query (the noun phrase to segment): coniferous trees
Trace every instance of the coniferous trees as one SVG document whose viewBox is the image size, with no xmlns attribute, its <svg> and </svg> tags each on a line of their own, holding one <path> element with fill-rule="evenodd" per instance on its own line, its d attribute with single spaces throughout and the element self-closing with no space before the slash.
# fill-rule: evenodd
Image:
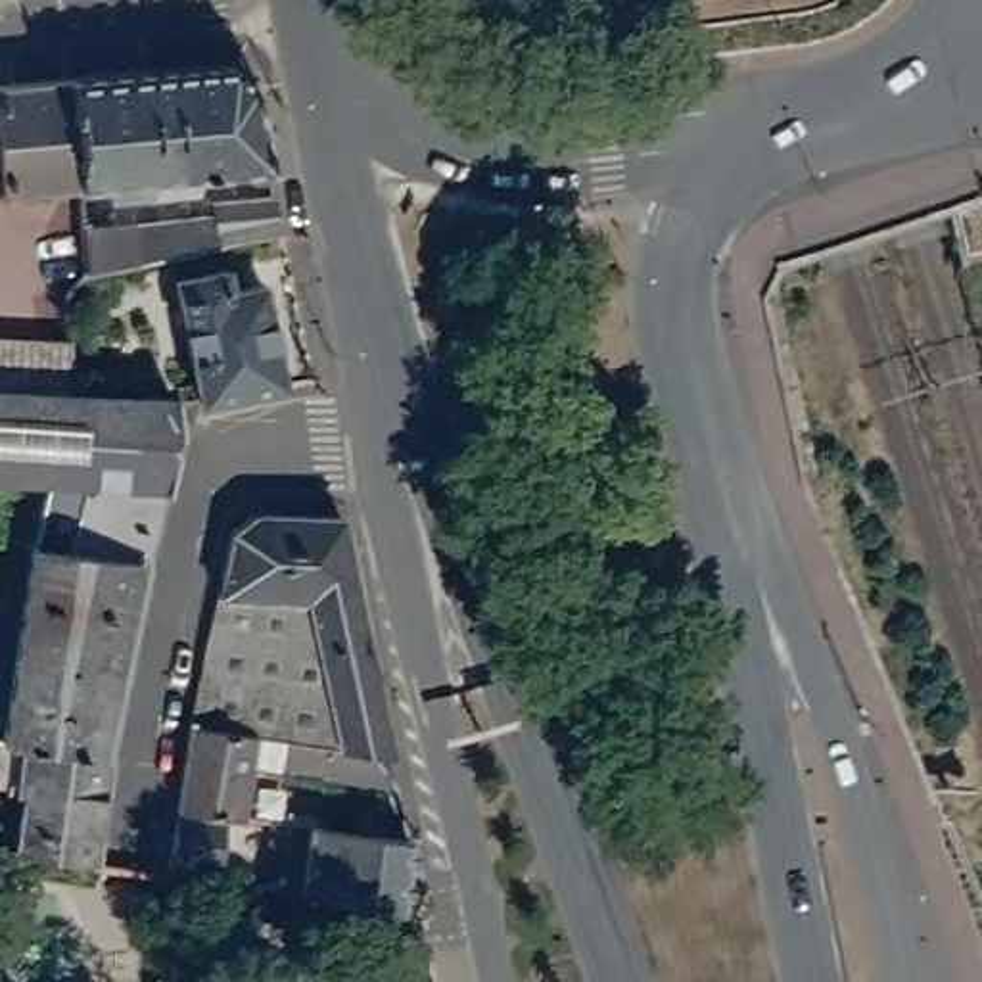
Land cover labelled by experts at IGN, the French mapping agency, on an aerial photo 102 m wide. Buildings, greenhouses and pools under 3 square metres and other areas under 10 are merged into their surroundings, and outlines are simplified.
<svg viewBox="0 0 982 982">
<path fill-rule="evenodd" d="M 272 947 L 261 944 L 257 951 L 246 951 L 238 963 L 219 963 L 207 982 L 265 982 Z"/>
</svg>

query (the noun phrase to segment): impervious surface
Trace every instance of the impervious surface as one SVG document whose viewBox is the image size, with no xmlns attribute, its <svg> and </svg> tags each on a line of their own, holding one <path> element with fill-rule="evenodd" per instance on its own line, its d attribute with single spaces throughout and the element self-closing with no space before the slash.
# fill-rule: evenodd
<svg viewBox="0 0 982 982">
<path fill-rule="evenodd" d="M 173 871 L 165 859 L 173 821 L 180 817 L 188 737 L 192 725 L 203 725 L 207 717 L 203 710 L 196 710 L 196 698 L 203 687 L 203 660 L 215 610 L 222 598 L 226 549 L 238 526 L 246 526 L 249 518 L 330 518 L 338 510 L 349 529 L 372 644 L 387 675 L 384 698 L 391 706 L 399 752 L 410 760 L 410 779 L 418 794 L 403 809 L 391 809 L 387 794 L 380 790 L 341 786 L 338 794 L 295 790 L 288 798 L 284 790 L 272 790 L 269 779 L 257 813 L 242 825 L 230 825 L 226 832 L 234 855 L 253 859 L 249 894 L 261 898 L 265 913 L 292 898 L 292 855 L 299 844 L 311 844 L 311 832 L 341 832 L 387 844 L 410 844 L 426 836 L 430 863 L 437 871 L 426 882 L 414 882 L 414 905 L 407 921 L 422 924 L 433 982 L 510 982 L 510 959 L 499 917 L 506 890 L 495 882 L 495 863 L 503 848 L 491 836 L 491 817 L 476 806 L 476 794 L 491 794 L 503 783 L 503 775 L 518 783 L 537 840 L 541 848 L 591 982 L 652 982 L 641 963 L 641 947 L 648 947 L 648 936 L 641 921 L 629 913 L 621 878 L 610 867 L 595 852 L 591 817 L 587 809 L 579 809 L 579 798 L 572 790 L 583 775 L 575 763 L 575 737 L 556 717 L 545 721 L 545 733 L 522 729 L 518 706 L 491 679 L 487 644 L 476 629 L 483 595 L 472 587 L 456 556 L 433 556 L 430 526 L 437 510 L 449 506 L 445 472 L 476 433 L 487 430 L 476 403 L 468 403 L 460 391 L 456 376 L 464 364 L 453 357 L 453 341 L 445 341 L 441 334 L 433 334 L 433 326 L 422 318 L 414 292 L 422 272 L 418 242 L 426 238 L 433 246 L 445 234 L 460 234 L 468 219 L 522 215 L 526 207 L 533 207 L 533 215 L 545 222 L 552 211 L 579 211 L 579 226 L 595 230 L 602 222 L 625 222 L 637 226 L 637 234 L 644 234 L 633 284 L 637 353 L 629 357 L 629 364 L 641 368 L 641 384 L 648 387 L 644 407 L 671 414 L 671 460 L 675 468 L 683 468 L 687 526 L 679 537 L 690 549 L 683 587 L 702 587 L 706 595 L 740 610 L 744 641 L 752 641 L 752 652 L 733 675 L 729 690 L 744 706 L 744 717 L 733 733 L 740 740 L 737 756 L 752 775 L 760 775 L 771 786 L 771 802 L 756 817 L 756 832 L 783 982 L 982 982 L 982 959 L 974 951 L 963 898 L 951 882 L 947 859 L 936 840 L 936 809 L 924 802 L 921 775 L 928 767 L 924 760 L 909 756 L 886 687 L 871 664 L 855 614 L 836 579 L 825 529 L 817 526 L 806 503 L 806 491 L 813 491 L 817 460 L 813 437 L 802 403 L 802 380 L 786 345 L 783 295 L 794 288 L 790 276 L 809 265 L 829 265 L 832 280 L 840 269 L 875 257 L 890 242 L 901 249 L 940 238 L 944 222 L 970 219 L 970 211 L 982 203 L 982 0 L 875 0 L 840 35 L 737 46 L 721 54 L 725 69 L 737 73 L 733 92 L 721 104 L 713 104 L 702 119 L 690 119 L 664 153 L 625 161 L 541 165 L 526 157 L 518 146 L 510 146 L 503 153 L 476 157 L 472 150 L 460 150 L 441 130 L 433 130 L 403 92 L 384 84 L 376 73 L 361 69 L 345 54 L 345 19 L 326 0 L 0 0 L 0 115 L 8 84 L 42 84 L 61 77 L 84 77 L 92 84 L 119 84 L 123 77 L 138 77 L 142 84 L 188 77 L 242 77 L 249 84 L 257 81 L 265 96 L 265 134 L 280 157 L 280 169 L 269 176 L 265 188 L 238 188 L 238 199 L 288 199 L 288 222 L 272 242 L 253 242 L 249 249 L 188 253 L 161 265 L 161 276 L 146 276 L 142 288 L 123 292 L 123 299 L 111 307 L 111 315 L 123 322 L 123 349 L 73 357 L 69 372 L 84 387 L 77 399 L 180 403 L 180 410 L 169 418 L 169 430 L 184 433 L 176 453 L 176 495 L 165 499 L 157 587 L 150 598 L 142 667 L 119 752 L 119 790 L 107 790 L 107 813 L 127 817 L 127 825 L 119 848 L 107 852 L 107 867 L 96 871 L 92 890 L 42 882 L 35 913 L 46 917 L 46 947 L 31 947 L 31 963 L 0 970 L 0 982 L 207 982 L 219 963 L 238 963 L 246 951 L 257 951 L 261 944 L 272 947 L 284 944 L 280 928 L 269 924 L 261 924 L 261 932 L 234 928 L 222 944 L 203 944 L 192 955 L 173 959 L 165 947 L 157 947 L 146 959 L 138 959 L 123 924 L 138 917 L 142 905 L 153 898 L 157 878 Z M 192 403 L 196 372 L 192 364 L 180 368 L 173 361 L 173 330 L 161 292 L 176 280 L 211 272 L 234 272 L 238 288 L 253 288 L 261 280 L 272 295 L 292 384 L 280 387 L 272 399 L 242 403 L 230 410 L 207 410 L 203 403 Z"/>
<path fill-rule="evenodd" d="M 88 272 L 92 249 L 84 226 L 107 226 L 111 203 L 69 199 L 65 211 L 58 196 L 0 196 L 0 341 L 61 341 L 69 315 L 92 299 L 92 288 L 84 284 Z"/>
</svg>

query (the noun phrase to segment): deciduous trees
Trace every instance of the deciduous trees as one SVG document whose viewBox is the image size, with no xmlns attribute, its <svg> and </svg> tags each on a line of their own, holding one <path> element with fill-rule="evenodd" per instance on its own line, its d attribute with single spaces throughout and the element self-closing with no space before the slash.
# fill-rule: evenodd
<svg viewBox="0 0 982 982">
<path fill-rule="evenodd" d="M 690 119 L 702 119 L 713 104 L 721 104 L 733 92 L 737 73 L 725 69 L 721 54 L 713 50 L 710 27 L 698 23 L 702 0 L 326 0 L 345 19 L 345 54 L 361 69 L 376 73 L 384 84 L 403 92 L 433 130 L 441 130 L 460 150 L 472 150 L 476 157 L 503 153 L 510 146 L 518 146 L 526 157 L 541 165 L 625 161 L 664 153 Z"/>
<path fill-rule="evenodd" d="M 307 928 L 284 944 L 272 947 L 265 982 L 433 982 L 422 924 L 407 921 L 399 913 L 391 913 L 387 921 L 349 917 L 345 924 Z"/>
<path fill-rule="evenodd" d="M 886 518 L 909 503 L 901 479 L 886 472 L 882 479 L 867 479 L 867 460 L 859 460 L 844 441 L 836 441 L 832 433 L 813 437 L 817 460 L 832 464 L 844 476 L 844 518 L 863 556 L 867 606 L 886 618 L 882 660 L 905 698 L 909 725 L 928 729 L 936 740 L 955 740 L 963 725 L 978 729 L 978 710 L 959 667 L 951 667 L 947 652 L 928 637 L 924 598 L 936 591 L 936 583 L 921 572 L 921 564 L 905 560 L 905 552 L 894 545 L 886 529 Z"/>
<path fill-rule="evenodd" d="M 0 970 L 31 963 L 31 947 L 46 947 L 46 917 L 35 913 L 42 882 L 92 890 L 96 871 L 58 863 L 42 867 L 27 855 L 15 855 L 12 848 L 0 848 Z"/>
<path fill-rule="evenodd" d="M 111 307 L 123 299 L 123 292 L 142 288 L 146 276 L 161 276 L 161 265 L 146 261 L 115 272 L 88 272 L 84 284 L 92 288 L 92 299 L 69 315 L 61 341 L 73 345 L 73 357 L 123 349 L 123 322 L 111 315 Z"/>
<path fill-rule="evenodd" d="M 740 740 L 733 733 L 744 717 L 744 706 L 729 690 L 733 675 L 752 652 L 752 641 L 744 641 L 740 610 L 706 595 L 702 587 L 683 587 L 690 549 L 679 537 L 687 526 L 683 468 L 675 468 L 671 460 L 671 414 L 644 407 L 614 410 L 614 403 L 595 384 L 595 372 L 602 372 L 606 364 L 595 357 L 595 322 L 606 307 L 606 292 L 625 284 L 625 272 L 614 261 L 606 238 L 595 230 L 579 226 L 579 211 L 552 211 L 545 222 L 533 234 L 510 230 L 487 249 L 456 253 L 453 269 L 445 272 L 445 295 L 449 311 L 460 318 L 460 330 L 441 334 L 445 341 L 453 341 L 453 357 L 464 364 L 456 376 L 460 391 L 468 403 L 476 403 L 487 430 L 476 433 L 445 472 L 449 506 L 437 510 L 430 526 L 433 556 L 456 556 L 472 587 L 483 595 L 476 629 L 487 644 L 491 679 L 518 706 L 522 729 L 545 733 L 545 721 L 556 717 L 575 737 L 575 763 L 583 775 L 572 790 L 579 798 L 579 809 L 587 809 L 591 817 L 595 852 L 610 867 L 621 859 L 637 867 L 644 878 L 667 878 L 683 855 L 713 852 L 725 840 L 737 840 L 744 829 L 756 832 L 756 817 L 771 802 L 771 786 L 760 775 L 752 775 L 737 756 Z"/>
<path fill-rule="evenodd" d="M 526 840 L 518 829 L 514 844 L 503 848 L 495 863 L 495 882 L 506 890 L 514 878 L 526 875 L 529 855 L 541 848 L 537 840 Z"/>
<path fill-rule="evenodd" d="M 199 878 L 196 886 L 184 886 L 173 898 L 153 898 L 142 905 L 138 917 L 123 924 L 138 959 L 146 959 L 157 947 L 165 947 L 173 959 L 192 955 L 203 944 L 222 944 L 234 928 L 261 932 L 261 924 L 269 924 L 265 913 L 261 898 L 249 894 L 253 859 L 234 855 L 215 863 L 215 875 Z"/>
</svg>

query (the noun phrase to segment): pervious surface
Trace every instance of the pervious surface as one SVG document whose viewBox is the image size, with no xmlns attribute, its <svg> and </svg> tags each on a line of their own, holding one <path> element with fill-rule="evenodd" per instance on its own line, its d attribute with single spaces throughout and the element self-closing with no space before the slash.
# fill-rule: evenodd
<svg viewBox="0 0 982 982">
<path fill-rule="evenodd" d="M 882 437 L 886 449 L 898 456 L 901 479 L 909 503 L 913 529 L 924 556 L 936 568 L 936 583 L 936 591 L 944 633 L 955 641 L 959 667 L 978 710 L 978 729 L 974 740 L 982 756 L 982 357 L 974 361 L 974 349 L 963 345 L 967 322 L 951 269 L 944 261 L 940 238 L 901 249 L 890 242 L 875 257 L 840 269 L 832 280 L 832 284 L 852 341 L 859 349 L 863 384 L 882 418 Z"/>
</svg>

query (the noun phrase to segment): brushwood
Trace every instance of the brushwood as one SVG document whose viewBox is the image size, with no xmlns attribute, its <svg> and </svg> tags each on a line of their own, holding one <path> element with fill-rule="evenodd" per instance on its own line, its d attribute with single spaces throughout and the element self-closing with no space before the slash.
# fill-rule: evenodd
<svg viewBox="0 0 982 982">
<path fill-rule="evenodd" d="M 269 779 L 272 790 L 284 790 L 288 798 L 295 790 L 338 794 L 341 786 L 288 771 Z"/>
<path fill-rule="evenodd" d="M 967 322 L 963 345 L 974 349 L 974 361 L 982 357 L 982 261 L 963 261 L 959 269 L 951 269 Z"/>
<path fill-rule="evenodd" d="M 790 276 L 794 288 L 813 299 L 832 284 L 832 280 L 829 265 L 809 265 Z"/>
</svg>

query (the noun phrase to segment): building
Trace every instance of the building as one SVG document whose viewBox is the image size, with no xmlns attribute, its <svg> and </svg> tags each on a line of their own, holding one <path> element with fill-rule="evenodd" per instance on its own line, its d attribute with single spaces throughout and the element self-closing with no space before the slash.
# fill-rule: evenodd
<svg viewBox="0 0 982 982">
<path fill-rule="evenodd" d="M 430 863 L 426 836 L 410 844 L 387 844 L 341 832 L 311 832 L 311 844 L 299 844 L 292 855 L 292 898 L 265 913 L 269 924 L 280 928 L 284 944 L 307 928 L 345 924 L 349 917 L 387 921 L 391 913 L 399 913 L 407 921 L 414 905 L 414 882 L 426 882 L 437 871 Z"/>
<path fill-rule="evenodd" d="M 242 825 L 257 813 L 269 779 L 288 771 L 341 786 L 380 790 L 387 794 L 391 809 L 403 809 L 418 794 L 410 779 L 410 760 L 399 752 L 391 706 L 384 698 L 387 675 L 372 644 L 349 529 L 338 510 L 330 518 L 249 518 L 246 526 L 238 526 L 226 549 L 222 598 L 215 610 L 203 660 L 203 687 L 196 698 L 196 710 L 203 710 L 207 717 L 203 725 L 192 725 L 188 737 L 180 817 L 173 821 L 165 859 L 173 871 L 157 878 L 153 898 L 173 898 L 184 886 L 196 886 L 199 878 L 215 875 L 215 863 L 234 855 L 226 832 L 230 825 Z"/>
<path fill-rule="evenodd" d="M 176 495 L 176 453 L 184 433 L 169 430 L 169 418 L 180 410 L 180 403 L 77 399 L 84 387 L 69 372 L 73 357 L 73 345 L 61 341 L 0 341 L 0 740 L 8 744 L 12 760 L 4 798 L 23 802 L 19 840 L 12 848 L 15 855 L 27 855 L 42 867 L 58 863 L 96 871 L 107 867 L 107 852 L 119 848 L 127 825 L 127 817 L 107 813 L 107 790 L 119 790 L 119 752 L 142 667 L 150 598 L 157 587 L 165 499 Z"/>
<path fill-rule="evenodd" d="M 238 199 L 238 188 L 265 188 L 269 176 L 280 169 L 280 157 L 265 134 L 265 96 L 257 81 L 249 84 L 242 77 L 188 77 L 142 84 L 138 77 L 123 77 L 119 84 L 92 84 L 84 77 L 61 77 L 42 84 L 8 84 L 0 115 L 0 196 L 58 196 L 65 211 L 69 199 L 111 203 L 107 226 L 84 226 L 92 249 L 88 272 L 115 272 L 146 261 L 161 265 L 188 253 L 249 249 L 253 242 L 272 242 L 288 222 L 288 199 Z"/>
<path fill-rule="evenodd" d="M 280 387 L 292 384 L 272 295 L 261 280 L 253 288 L 238 288 L 234 272 L 211 272 L 176 280 L 161 292 L 173 330 L 173 361 L 180 368 L 192 364 L 196 372 L 192 403 L 203 403 L 207 410 L 230 410 L 242 403 L 272 399 Z"/>
</svg>

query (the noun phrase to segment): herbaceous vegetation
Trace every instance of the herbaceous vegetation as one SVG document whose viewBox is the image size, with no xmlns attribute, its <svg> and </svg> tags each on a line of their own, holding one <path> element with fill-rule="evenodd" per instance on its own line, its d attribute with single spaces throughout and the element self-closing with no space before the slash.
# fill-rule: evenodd
<svg viewBox="0 0 982 982">
<path fill-rule="evenodd" d="M 951 269 L 959 269 L 963 261 L 982 261 L 982 203 L 970 211 L 970 219 L 944 222 L 940 238 L 944 261 Z"/>
<path fill-rule="evenodd" d="M 633 284 L 644 234 L 637 234 L 637 226 L 625 222 L 602 222 L 595 230 L 606 238 L 614 261 L 625 272 L 625 284 L 606 292 L 606 307 L 595 322 L 595 357 L 606 364 L 602 372 L 595 372 L 595 384 L 614 403 L 614 410 L 644 407 L 648 387 L 641 384 L 641 368 L 629 364 L 629 357 L 637 353 Z"/>
<path fill-rule="evenodd" d="M 491 836 L 503 848 L 514 844 L 518 829 L 526 840 L 537 840 L 518 783 L 503 775 L 503 783 L 491 794 L 476 794 L 476 806 L 491 817 Z"/>
<path fill-rule="evenodd" d="M 648 936 L 648 947 L 641 947 L 641 963 L 652 982 L 783 982 L 756 832 L 744 829 L 737 840 L 725 840 L 713 852 L 683 855 L 667 878 L 644 878 L 637 867 L 621 859 L 610 867 L 621 878 L 629 913 L 641 921 Z"/>
<path fill-rule="evenodd" d="M 510 959 L 510 982 L 591 982 L 541 848 L 529 855 L 526 875 L 514 878 L 506 890 L 499 917 Z"/>
<path fill-rule="evenodd" d="M 944 633 L 936 591 L 924 598 L 928 637 L 947 652 L 951 667 L 959 667 L 955 641 Z"/>
<path fill-rule="evenodd" d="M 433 326 L 433 334 L 441 334 L 460 330 L 460 318 L 449 311 L 445 295 L 445 272 L 453 269 L 456 253 L 487 249 L 510 230 L 533 234 L 545 222 L 533 215 L 533 207 L 526 207 L 522 215 L 468 219 L 460 234 L 445 234 L 433 246 L 426 238 L 418 242 L 422 272 L 414 292 L 422 318 Z"/>
<path fill-rule="evenodd" d="M 909 503 L 886 518 L 886 529 L 894 545 L 905 552 L 905 560 L 921 564 L 921 572 L 936 583 L 936 568 L 924 556 L 913 529 Z"/>
<path fill-rule="evenodd" d="M 875 0 L 702 0 L 698 23 L 710 27 L 713 50 L 721 54 L 737 46 L 840 35 Z"/>
<path fill-rule="evenodd" d="M 12 848 L 19 840 L 23 802 L 4 798 L 12 760 L 8 744 L 0 740 L 0 848 Z"/>
<path fill-rule="evenodd" d="M 982 756 L 974 740 L 978 729 L 963 725 L 955 740 L 936 740 L 928 729 L 909 725 L 905 698 L 882 660 L 886 618 L 867 606 L 863 556 L 844 518 L 844 476 L 832 464 L 817 460 L 813 491 L 806 491 L 806 503 L 817 526 L 825 529 L 836 579 L 855 614 L 871 664 L 886 687 L 909 756 L 924 760 L 928 767 L 921 775 L 924 802 L 936 809 L 936 840 L 947 859 L 951 882 L 963 898 L 974 951 L 982 959 Z"/>
<path fill-rule="evenodd" d="M 832 284 L 813 299 L 794 288 L 783 295 L 786 345 L 802 380 L 802 403 L 813 437 L 832 433 L 836 441 L 844 441 L 859 460 L 867 460 L 867 479 L 882 479 L 886 472 L 901 479 L 898 456 L 886 449 L 882 437 L 882 418 L 863 384 L 859 349 L 852 341 Z"/>
</svg>

